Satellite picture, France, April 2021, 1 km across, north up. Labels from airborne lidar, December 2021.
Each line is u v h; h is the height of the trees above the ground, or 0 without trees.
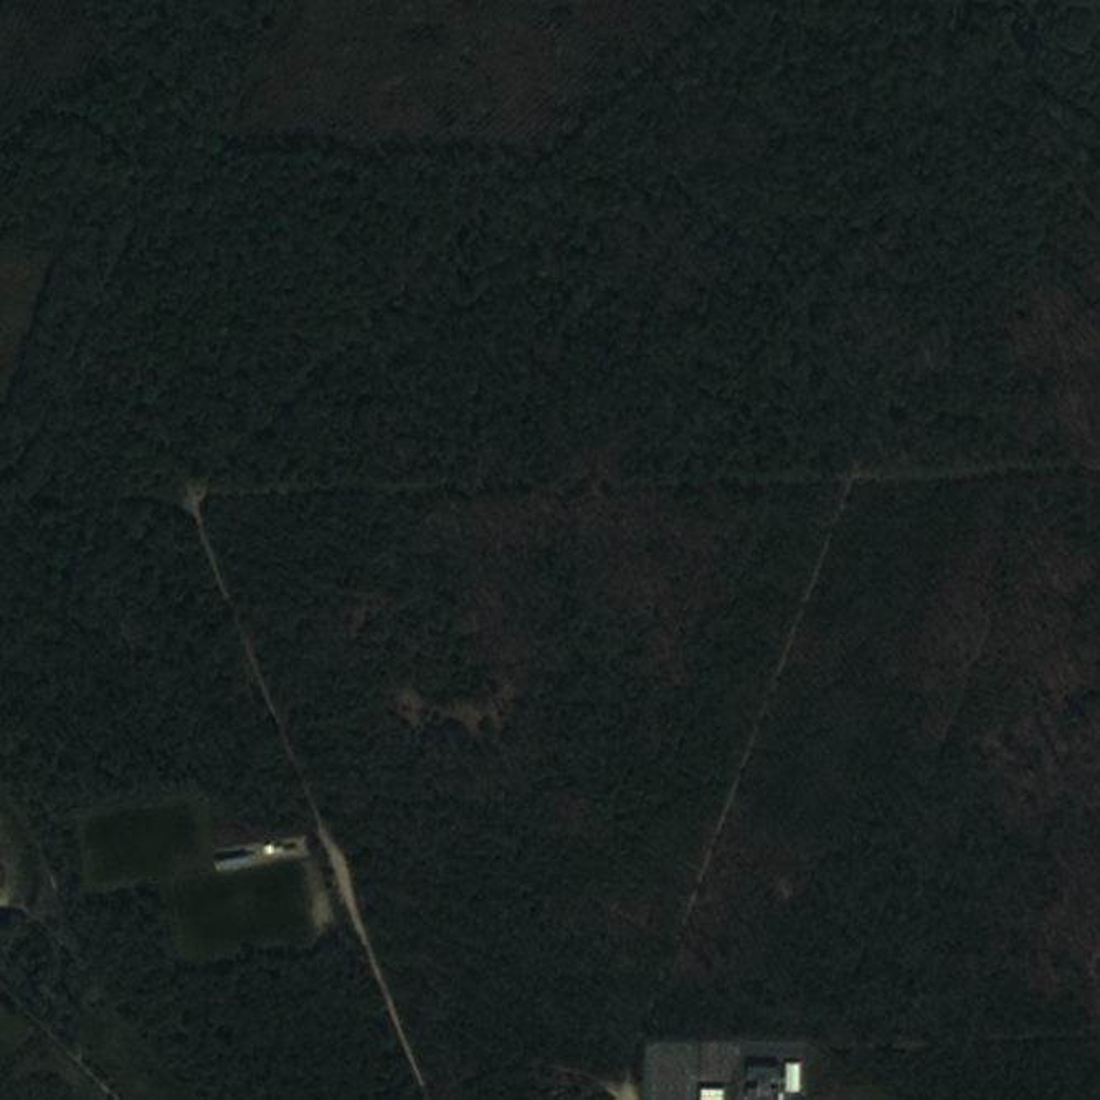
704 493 18
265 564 9
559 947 18
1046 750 12
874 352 25
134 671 22
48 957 20
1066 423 19
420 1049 9
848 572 9
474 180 24
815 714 7
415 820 19
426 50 0
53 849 7
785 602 11
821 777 11
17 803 6
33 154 24
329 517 10
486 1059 13
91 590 24
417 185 21
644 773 12
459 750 18
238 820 6
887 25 29
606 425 19
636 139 23
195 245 23
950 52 28
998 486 14
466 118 0
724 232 22
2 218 17
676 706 19
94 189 19
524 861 10
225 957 0
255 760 24
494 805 8
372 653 11
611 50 0
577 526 21
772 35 22
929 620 7
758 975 7
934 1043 6
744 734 14
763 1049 0
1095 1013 19
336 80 0
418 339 23
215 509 13
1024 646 14
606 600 21
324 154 17
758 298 22
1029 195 20
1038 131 19
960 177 20
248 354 20
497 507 23
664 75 21
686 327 21
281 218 20
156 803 0
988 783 10
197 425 23
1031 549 16
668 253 17
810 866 6
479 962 12
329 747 11
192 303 14
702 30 19
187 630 26
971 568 10
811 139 25
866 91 25
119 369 16
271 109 0
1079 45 7
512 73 0
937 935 11
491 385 22
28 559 25
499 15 0
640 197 19
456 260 20
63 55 0
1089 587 14
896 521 10
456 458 14
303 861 0
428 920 8
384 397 23
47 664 26
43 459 22
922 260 23
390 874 12
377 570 9
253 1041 20
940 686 16
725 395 28
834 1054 6
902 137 26
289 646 12
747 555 12
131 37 25
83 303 12
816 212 22
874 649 8
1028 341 18
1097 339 17
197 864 0
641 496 21
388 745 11
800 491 10
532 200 26
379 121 0
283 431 13
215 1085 16
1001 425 18
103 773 23
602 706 17
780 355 21
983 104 21
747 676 12
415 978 19
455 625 17
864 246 23
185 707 23
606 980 11
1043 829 9
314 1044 18
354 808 12
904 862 17
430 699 11
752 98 19
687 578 18
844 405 25
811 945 10
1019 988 13
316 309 23
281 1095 19
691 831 13
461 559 20
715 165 24
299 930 0
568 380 15
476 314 17
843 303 28
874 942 18
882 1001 11
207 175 18
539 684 17
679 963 24
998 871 19
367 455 25
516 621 21
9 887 0
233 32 23
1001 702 0
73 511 14
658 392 23
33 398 18
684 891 11
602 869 11
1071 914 17
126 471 19
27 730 19
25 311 0
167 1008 17
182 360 16
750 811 12
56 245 20
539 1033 9
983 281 24
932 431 24
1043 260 16
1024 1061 10
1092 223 20
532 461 18
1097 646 13
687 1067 0
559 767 14
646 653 19
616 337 13
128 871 0
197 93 29
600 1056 8
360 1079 23
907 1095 12
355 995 18
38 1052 12
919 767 21
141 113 21
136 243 18
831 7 24
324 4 0
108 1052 0
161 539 23
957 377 25
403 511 20
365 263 21
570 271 18
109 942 17
